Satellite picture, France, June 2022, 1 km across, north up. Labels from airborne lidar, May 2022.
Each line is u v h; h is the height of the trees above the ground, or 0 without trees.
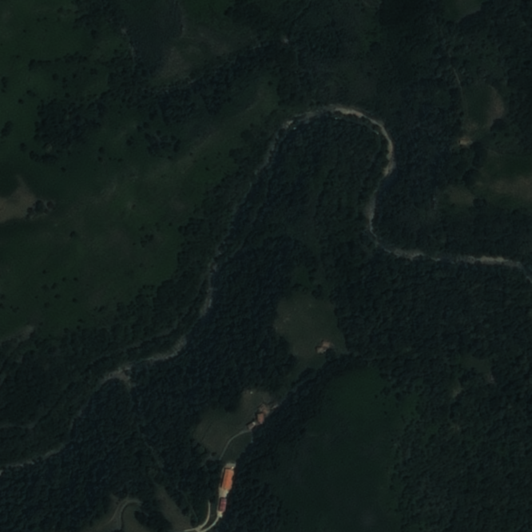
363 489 0
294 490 0
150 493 19
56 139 13
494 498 16
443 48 11
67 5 0
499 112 0
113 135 0
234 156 19
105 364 31
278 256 18
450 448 20
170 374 22
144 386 17
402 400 13
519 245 20
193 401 30
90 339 14
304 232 7
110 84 13
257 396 0
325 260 26
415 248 23
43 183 0
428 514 17
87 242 0
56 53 0
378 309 24
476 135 0
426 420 17
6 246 0
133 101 14
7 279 0
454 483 21
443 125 14
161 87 7
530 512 25
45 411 27
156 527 13
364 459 0
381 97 7
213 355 27
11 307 9
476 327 26
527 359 23
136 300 11
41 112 13
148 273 0
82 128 14
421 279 22
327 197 23
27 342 8
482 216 9
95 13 12
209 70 12
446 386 19
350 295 22
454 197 0
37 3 0
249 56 16
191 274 13
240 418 0
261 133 9
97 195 0
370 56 12
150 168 0
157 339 19
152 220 0
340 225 29
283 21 9
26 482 24
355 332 25
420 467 21
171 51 0
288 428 14
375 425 0
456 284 23
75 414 17
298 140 29
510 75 15
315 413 14
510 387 30
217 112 13
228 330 14
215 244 20
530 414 31
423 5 21
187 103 12
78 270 0
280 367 19
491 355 22
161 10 0
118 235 0
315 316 0
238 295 11
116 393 22
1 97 0
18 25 0
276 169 18
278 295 24
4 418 13
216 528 7
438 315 28
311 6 9
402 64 10
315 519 0
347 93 9
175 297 18
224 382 19
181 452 22
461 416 19
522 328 23
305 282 0
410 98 24
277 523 8
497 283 26
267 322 21
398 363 13
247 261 20
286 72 17
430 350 28
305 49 31
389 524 0
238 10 15
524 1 9
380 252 9
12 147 0
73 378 33
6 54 0
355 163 14
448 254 10
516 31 26
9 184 0
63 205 0
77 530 18
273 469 7
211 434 0
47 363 22
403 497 13
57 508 23
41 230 0
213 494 14
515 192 0
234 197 23
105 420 19
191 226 16
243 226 27
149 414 33
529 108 15
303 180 21
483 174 0
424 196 13
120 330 20
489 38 9
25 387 17
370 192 22
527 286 23
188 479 32
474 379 25
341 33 7
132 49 7
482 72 12
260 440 19
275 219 15
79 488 22
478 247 24
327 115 6
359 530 0
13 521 26
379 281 31
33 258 0
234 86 13
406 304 17
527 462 20
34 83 0
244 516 20
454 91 16
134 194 0
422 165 18
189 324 19
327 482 0
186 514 16
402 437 6
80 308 0
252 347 25
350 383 0
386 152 9
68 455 15
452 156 21
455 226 7
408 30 18
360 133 19
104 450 15
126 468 20
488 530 28
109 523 0
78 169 0
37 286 0
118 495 17
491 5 22
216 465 13
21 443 21
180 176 0
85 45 0
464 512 18
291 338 0
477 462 10
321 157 17
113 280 0
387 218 26
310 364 0
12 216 0
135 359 22
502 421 12
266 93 0
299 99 12
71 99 6
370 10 0
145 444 25
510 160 0
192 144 0
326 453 0
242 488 13
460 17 0
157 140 15
